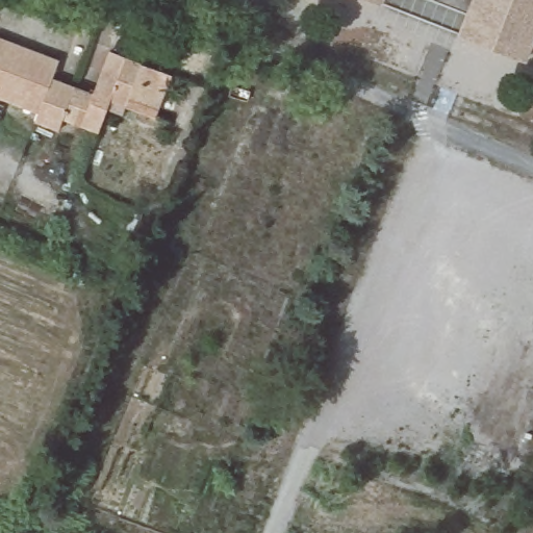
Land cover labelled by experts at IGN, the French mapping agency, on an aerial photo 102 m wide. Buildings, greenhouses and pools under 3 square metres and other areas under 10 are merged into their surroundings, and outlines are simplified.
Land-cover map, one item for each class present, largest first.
<instances>
[{"label":"agricultural land","instance_id":"1","mask_svg":"<svg viewBox=\"0 0 533 533\"><path fill-rule=\"evenodd\" d=\"M289 90H256L250 94L248 90H239V94H235L229 90L225 110L210 127L208 142L200 152V160L192 154H185L181 158L185 162L183 181L171 196L173 208L169 212H162L160 227L164 233H171L167 248V273L158 281V285L162 287L160 304L152 312L144 341L133 352L131 371L125 383L127 404L115 412L110 423H102L83 433L67 431L65 435H60L52 427L46 431L44 443L54 458V466L60 473L58 493L52 502L56 518H73L77 514H85V529L90 533H262L271 516V508L277 500V491L283 483V473L294 454L300 431L296 425H291V431H281L275 439H254L248 425L250 402L248 391L244 387L246 375H264L260 369V360L273 358L271 344L285 335L287 306L296 308L298 300H302L304 296L323 314L319 331L325 337V344L337 352L339 341L350 333L346 329L348 300L366 271L369 252L377 239L387 206L379 208L377 204H371L366 221L358 225L360 235L354 237L352 248L341 250L327 233L331 225L344 221L339 214H335L333 208L339 185L354 183L356 167L362 164L366 144L369 139H373L375 125L379 119H391L394 139L385 142V148L396 154L406 152L410 156L414 154L416 142V129L412 123L404 115H400L389 102L385 106L373 104L360 98L358 94H356L348 104L333 110V117H312V121L306 125L296 123L285 112Z\"/></svg>","mask_w":533,"mask_h":533},{"label":"pervious surface","instance_id":"2","mask_svg":"<svg viewBox=\"0 0 533 533\"><path fill-rule=\"evenodd\" d=\"M294 4V8L289 10V17L294 21L300 19L310 4L321 2L325 8L331 10L333 19H337L344 25L341 31L331 40V44L306 40L302 46H298V50L306 71L314 60L327 62V67L344 83V90L350 87L356 94H358L360 90L373 87L371 83L375 75V65H381L396 69L404 75H414L416 94L412 104V123L416 129V142L414 154L410 156L387 206L377 239L369 252L366 271L348 300L346 329L350 333L339 341L337 352L331 371L335 375V381L344 387V391L335 402H325L319 416L306 421L300 431L294 454L283 473V483L277 491V500L271 508V516L262 533H285L296 512L298 491L302 489L314 458L319 456L325 443L333 437L346 439L350 443L369 441L373 446H379L381 441L394 437L404 443H410L414 454H418L421 450L437 452L443 446V429L458 431L464 429V425H468L475 437L473 448L464 454L468 473L473 477H479L489 468L502 475H510L512 471H516L521 468L529 452L527 443L531 441L533 421V183L512 173L493 169L489 162L475 160L454 148H446L450 123L448 112L456 96L477 100L496 110L504 106L498 98V85L504 75L516 71L518 65L508 56L496 52L489 54L487 50L475 44L458 42L456 31H448L412 15L400 12L396 8H389L387 4H373L366 0H289Z\"/></svg>","mask_w":533,"mask_h":533},{"label":"deciduous trees","instance_id":"3","mask_svg":"<svg viewBox=\"0 0 533 533\"><path fill-rule=\"evenodd\" d=\"M0 8H8L19 17L40 19L46 27L62 35H75L79 31H87L90 35L98 27H102L104 31L108 27H115L119 35L115 52L123 58H129L146 67L148 60H154L160 67L183 69V62L192 54L202 52L210 56V65L200 73L204 79L210 81L214 87L229 90L235 94H239V90H248L250 94L256 90H289L285 112L296 123L306 125L312 121V117H333V110L348 104L356 94L350 87L344 90V83L327 67V62L314 60L306 71L298 50V46H302L306 40L331 44V40L341 31L344 25L337 19H333L331 10L325 8L321 2L310 4L300 19L294 21L289 17V10L294 8V4L289 0H0ZM498 98L504 106L518 112L533 108V85L521 79L516 71L504 75L498 85ZM194 87L189 79L169 77L164 90V98L169 102H183L189 90ZM177 115L164 108L158 110L156 129V137L160 144L169 146L177 137ZM394 139L391 119H379L375 125L373 139H369L366 144L362 164L356 167L354 183L339 185L333 208L335 214H339L344 221L331 225L327 233L341 250L352 248L354 237L360 235L358 225L366 221L371 204H377L379 208L387 206L410 156L406 152L396 154L385 148V142ZM162 212L154 210L139 221L129 235L117 242L115 258L119 269H102L98 275L100 285L96 289L85 285L81 279L90 267L87 252H71L69 223L67 219L58 217L56 210L44 212L42 217H29L27 223L0 219V254L21 264H27V271L31 275H52L58 283H65L67 289L77 294L83 352L75 358V369L67 383L65 400L54 414L52 427L60 435H65L67 431L83 433L102 423H110L115 412L127 404L125 383L131 371L133 352L144 341L152 312L160 304L162 287L158 285V281L167 273V248L171 233H164L160 227ZM285 335L271 344L273 358L260 360V369L264 375H246L244 387L248 391L250 402L248 425L254 439H275L281 431H291V425H296L300 431L306 421L319 416L325 402H335L344 391V387L335 381V375L331 371L337 352L325 344V337L319 331L323 314L304 296L302 300H298L296 308L287 306ZM341 456L348 462L354 464V471L366 483L377 479L383 471L394 473L398 477L412 475L421 464L418 454H414L385 452L379 446H373L369 441L350 443L341 452ZM27 473L21 483L29 487L25 500L29 510V527L25 523L15 521V533H90L85 529V514H77L73 518H56L52 502L58 493L60 473L54 466V458L44 443L31 448L25 454ZM427 485H439L452 498L481 496L487 508L500 504L506 510L508 521L516 527V531L533 527V479L525 481L516 471H512L510 475H502L489 468L479 477H473L468 473L458 475L437 454H433L427 466Z\"/></svg>","mask_w":533,"mask_h":533},{"label":"herbaceous vegetation","instance_id":"4","mask_svg":"<svg viewBox=\"0 0 533 533\"><path fill-rule=\"evenodd\" d=\"M521 79L533 85V50L531 60L518 65L516 71ZM373 87L389 92L391 102L416 94L414 75H404L396 69L381 65H375V75L371 83ZM204 94L200 87H194L189 90L183 102H169L164 108L177 115V137L169 146L160 144L156 137V129H139L123 121L121 125L108 127L100 148L94 146L90 148L85 158V183L102 196L129 206L139 217V221L154 210L162 212H169L173 208L171 196L183 181L185 162L181 158L185 154L183 142L187 139L192 129L189 121L200 96ZM450 123L477 129L481 133L491 135L498 142H506L508 146L533 156V108L518 112L504 106L496 110L477 100L456 96L448 112ZM75 139L69 133H56L50 127L35 125L33 119L27 115L8 112L4 121H0V150L8 148L10 156L17 162L29 164L33 171L54 158L69 171L71 148ZM15 206L29 217H42L44 212L40 202L23 196L21 192L17 194ZM58 200H69L71 208L56 210L58 217L67 219L69 223L71 252H87L94 248L100 217L92 212V206L87 204V194L77 196L71 192H62L56 196ZM529 452L521 468L516 471L525 481L533 479V421L531 441L527 443ZM475 437L468 425H464V429L458 431L443 429V446L437 452L421 450L418 454L421 464L412 475L398 477L394 473L383 471L377 479L366 483L362 489L356 491V502L352 506L335 512H327L316 498L302 489L298 491L296 512L285 533H533V527L516 531V527L508 521L506 510L500 504L487 508L481 496L452 498L439 485H427V466L433 454H437L458 475L468 473L464 454L473 448ZM350 443L346 439L333 437L325 443L319 456H325L337 464L348 462L341 456V452ZM385 452L414 454L410 443H404L394 437L381 441L379 446Z\"/></svg>","mask_w":533,"mask_h":533},{"label":"building","instance_id":"5","mask_svg":"<svg viewBox=\"0 0 533 533\"><path fill-rule=\"evenodd\" d=\"M373 4H387L389 8H396L400 12L412 15L448 31H456L458 42L475 44L487 50L489 54L496 52L508 56L518 65L531 60L533 50V0H366ZM54 58L17 46L12 42L0 40V121H4L8 112L27 115L33 119L35 125L50 127L56 133H69L73 129H85L94 133L100 131V125L108 112L121 115L129 106L131 98L146 104H154L158 110L164 108L169 102L164 98V90L169 77L167 73L146 67L129 58H123L115 52L106 56L94 92H83L62 81H56Z\"/></svg>","mask_w":533,"mask_h":533},{"label":"vineyard","instance_id":"6","mask_svg":"<svg viewBox=\"0 0 533 533\"><path fill-rule=\"evenodd\" d=\"M83 352L77 294L67 289L65 283H58L52 275H31L27 271V264H21L0 254V493L17 489L21 483L27 473L25 454L31 448L44 443L46 431L52 427L54 414L65 400L67 383L75 369V358Z\"/></svg>","mask_w":533,"mask_h":533},{"label":"impervious surface","instance_id":"7","mask_svg":"<svg viewBox=\"0 0 533 533\"><path fill-rule=\"evenodd\" d=\"M0 40L12 42L17 46L54 58L56 81H62L83 92H94L106 56L115 52L119 35L115 27H108L100 35V44L87 71V79L81 81L75 79L71 73L77 69V60L81 56V50L87 46L90 35L87 31H79L75 35H62L46 27L40 19L19 17L8 8H0ZM210 65V56L202 52L192 54L183 62V69L160 67L154 60H148L146 67L167 73L169 77L189 79L194 87H200L204 79L200 73ZM360 98L373 104L385 106L389 102L400 115H404L412 123V104L416 94L391 102L389 92L373 87L360 90L358 94ZM123 121L139 129H156L158 110L154 104H146L131 98L129 106L121 115L108 112L100 125V131L94 133V146L100 148L108 127L121 125ZM446 148H454L475 160L489 162L493 169L512 173L533 183V156L508 146L506 142H498L491 135L481 133L477 129L450 123ZM69 171L54 158L33 171L29 164L17 162L10 156L8 148L0 150V202L4 200L6 192L17 194L21 192L23 196L40 202L44 212L56 210L71 208L69 200H58L56 196L62 192H71L73 183L67 181Z\"/></svg>","mask_w":533,"mask_h":533},{"label":"brushwood","instance_id":"8","mask_svg":"<svg viewBox=\"0 0 533 533\"><path fill-rule=\"evenodd\" d=\"M104 31L102 27H98L90 35L87 46L81 50V56L77 60V69L71 73L75 79L81 81L87 79V71L100 44V35ZM200 87L204 94L200 96L189 121L192 129L187 139L183 142L185 154H192L200 160V152L208 142L210 127L225 110L229 90L214 87L210 81L204 79ZM69 133L75 139L71 148L69 171L67 181L73 183L71 192L77 196L87 194V204L92 206V212L100 217L94 248L87 252L90 267L81 279L85 285L96 289L100 285L98 275L102 269H119L115 258L117 242L129 235L139 221V217L129 206L102 196L85 183V158L90 148L94 146V133L85 129H73ZM17 194L6 192L4 200L0 202V219L27 223L29 217L15 206ZM366 483L354 471V464L348 462L337 464L325 456H319L314 458L302 489L316 498L327 512H335L352 506L356 502V491L362 489ZM29 487L21 483L17 489L0 493V533H15V521L25 523L29 527V510L25 500Z\"/></svg>","mask_w":533,"mask_h":533}]
</instances>
